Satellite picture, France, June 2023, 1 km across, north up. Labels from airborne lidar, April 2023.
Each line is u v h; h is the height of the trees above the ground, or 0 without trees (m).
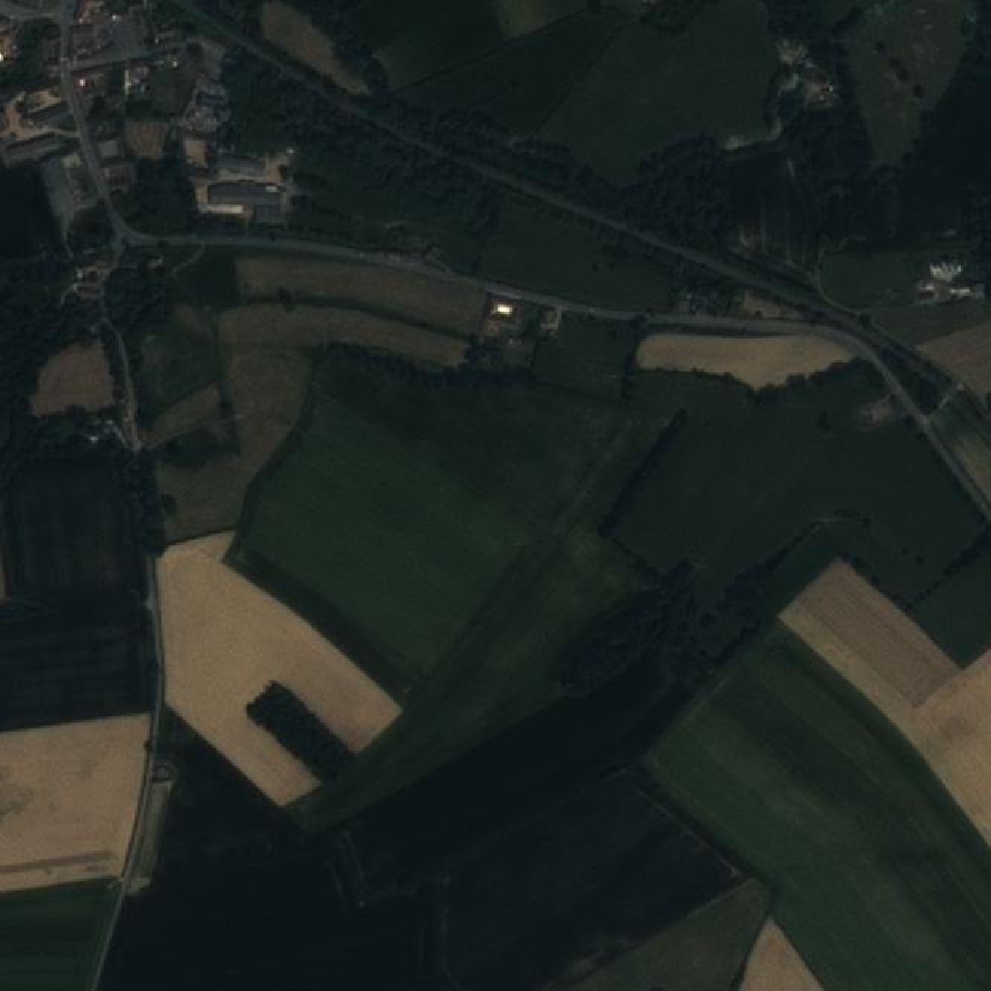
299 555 0
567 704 0
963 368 0
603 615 0
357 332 0
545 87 0
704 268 8
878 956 0
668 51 0
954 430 0
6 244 0
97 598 0
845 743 0
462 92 0
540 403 0
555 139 0
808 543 0
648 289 0
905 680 0
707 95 0
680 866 0
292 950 0
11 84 6
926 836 0
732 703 0
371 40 0
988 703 0
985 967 0
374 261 0
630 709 0
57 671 0
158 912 0
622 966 0
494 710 0
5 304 17
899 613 0
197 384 0
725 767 0
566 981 0
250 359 0
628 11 0
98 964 0
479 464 0
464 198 31
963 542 0
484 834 0
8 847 0
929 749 0
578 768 0
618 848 0
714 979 0
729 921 0
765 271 6
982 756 0
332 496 0
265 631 0
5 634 0
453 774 0
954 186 0
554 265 0
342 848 0
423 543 0
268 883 0
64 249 12
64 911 0
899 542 0
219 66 0
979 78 0
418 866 0
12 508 0
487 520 0
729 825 0
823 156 32
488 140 20
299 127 11
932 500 0
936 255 0
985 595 0
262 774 0
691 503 0
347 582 0
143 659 0
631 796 0
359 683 0
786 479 0
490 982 0
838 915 0
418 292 0
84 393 0
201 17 0
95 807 0
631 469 0
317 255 0
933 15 0
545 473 0
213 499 0
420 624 0
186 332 0
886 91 0
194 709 0
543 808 0
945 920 0
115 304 9
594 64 0
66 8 0
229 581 0
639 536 0
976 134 0
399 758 0
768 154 0
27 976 0
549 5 0
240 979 0
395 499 0
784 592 0
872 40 0
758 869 0
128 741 0
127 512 0
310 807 0
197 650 0
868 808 0
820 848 0
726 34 0
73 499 0
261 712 12
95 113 10
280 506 0
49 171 0
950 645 0
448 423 0
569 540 0
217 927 0
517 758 0
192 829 0
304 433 0
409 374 15
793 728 0
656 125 0
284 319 0
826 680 0
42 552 0
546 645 0
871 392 0
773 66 0
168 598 0
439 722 0
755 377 0
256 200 0
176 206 0
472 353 8
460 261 0
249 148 0
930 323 0
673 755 0
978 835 0
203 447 0
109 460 0
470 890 0
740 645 8
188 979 0
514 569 0
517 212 0
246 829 0
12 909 0
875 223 0
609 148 0
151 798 0
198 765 0
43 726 0
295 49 0
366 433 0
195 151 0
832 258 0
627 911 0
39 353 16
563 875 0
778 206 0
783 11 18
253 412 0
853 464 0
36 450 14
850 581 0
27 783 0
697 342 0
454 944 0
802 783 0
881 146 0
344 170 26
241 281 0
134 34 0
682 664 0
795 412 0
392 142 10
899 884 0
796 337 0
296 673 0
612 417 0
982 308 0
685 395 0
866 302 0
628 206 11
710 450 0
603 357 0
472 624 0
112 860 0
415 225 0
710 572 0
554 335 0
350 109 0
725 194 13
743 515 0
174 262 0
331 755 10
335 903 0
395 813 0
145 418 7
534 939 0
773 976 0
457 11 0
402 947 0
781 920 0
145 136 0
